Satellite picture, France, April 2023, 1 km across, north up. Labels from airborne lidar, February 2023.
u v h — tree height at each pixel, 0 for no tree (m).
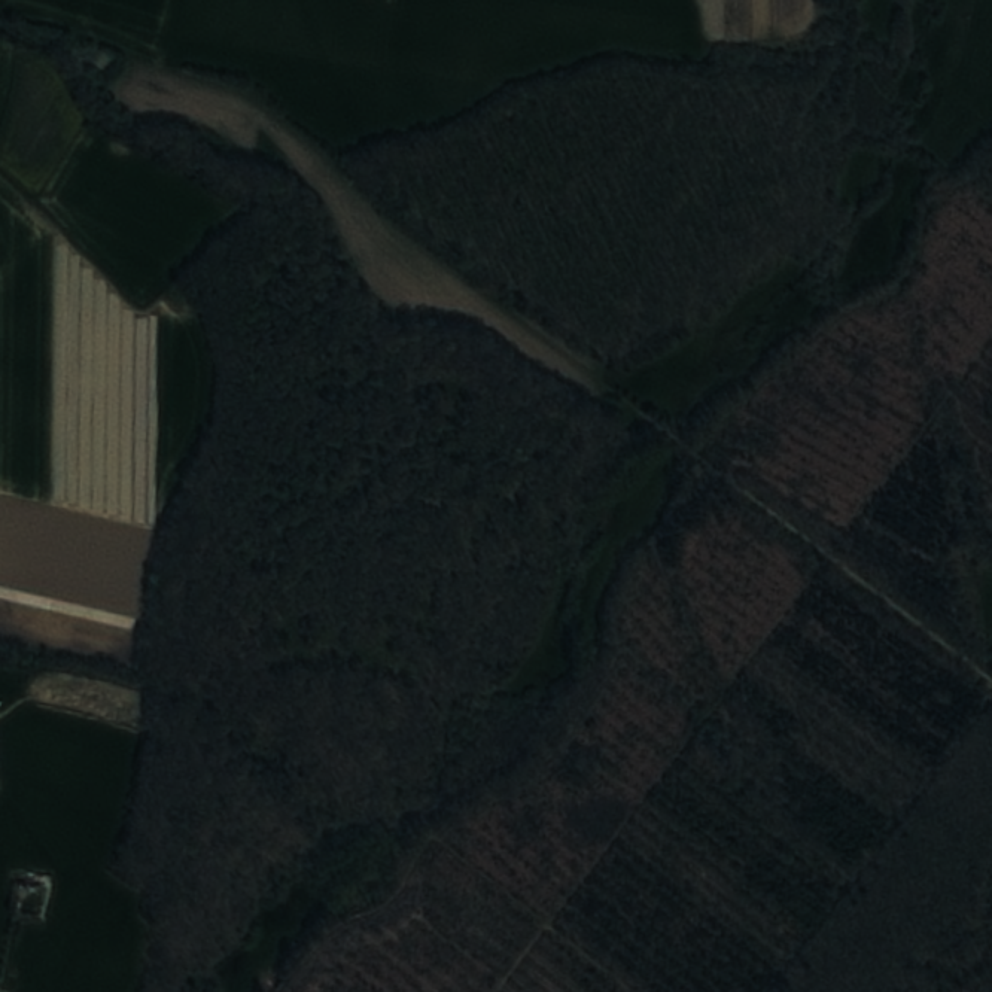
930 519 10
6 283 0
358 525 15
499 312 0
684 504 18
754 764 11
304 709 22
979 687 10
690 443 18
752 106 21
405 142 14
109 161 0
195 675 24
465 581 18
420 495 13
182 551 23
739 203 20
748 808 8
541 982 0
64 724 0
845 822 10
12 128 0
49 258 0
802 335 14
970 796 14
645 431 15
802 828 14
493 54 0
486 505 20
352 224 0
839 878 13
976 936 17
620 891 9
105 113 14
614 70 15
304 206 19
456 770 15
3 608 0
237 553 20
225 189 16
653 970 9
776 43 0
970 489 14
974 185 16
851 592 10
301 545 17
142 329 0
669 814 10
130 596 0
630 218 15
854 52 14
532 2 0
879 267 0
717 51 10
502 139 16
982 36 0
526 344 0
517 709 8
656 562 16
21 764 0
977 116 0
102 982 0
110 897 0
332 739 23
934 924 14
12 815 0
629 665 12
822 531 13
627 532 0
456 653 22
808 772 8
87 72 10
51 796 0
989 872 10
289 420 15
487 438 16
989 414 15
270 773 20
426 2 0
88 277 0
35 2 0
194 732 26
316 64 0
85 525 0
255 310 16
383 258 0
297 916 0
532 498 18
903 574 10
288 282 22
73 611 0
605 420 20
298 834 16
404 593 18
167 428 0
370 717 19
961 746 13
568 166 14
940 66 0
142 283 0
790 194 19
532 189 17
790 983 15
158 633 21
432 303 0
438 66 0
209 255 16
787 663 9
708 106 20
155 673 22
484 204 18
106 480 0
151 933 10
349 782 22
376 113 0
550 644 0
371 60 0
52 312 0
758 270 7
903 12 16
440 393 16
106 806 0
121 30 0
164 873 20
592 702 12
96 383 0
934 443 8
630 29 0
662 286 14
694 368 0
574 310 19
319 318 19
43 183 0
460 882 0
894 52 14
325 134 0
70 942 0
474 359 20
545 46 0
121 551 0
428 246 20
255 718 22
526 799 14
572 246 20
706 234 16
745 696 10
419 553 15
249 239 17
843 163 13
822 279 14
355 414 18
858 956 12
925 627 10
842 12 11
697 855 7
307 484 16
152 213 0
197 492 16
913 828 15
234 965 0
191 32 0
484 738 11
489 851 10
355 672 18
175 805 16
